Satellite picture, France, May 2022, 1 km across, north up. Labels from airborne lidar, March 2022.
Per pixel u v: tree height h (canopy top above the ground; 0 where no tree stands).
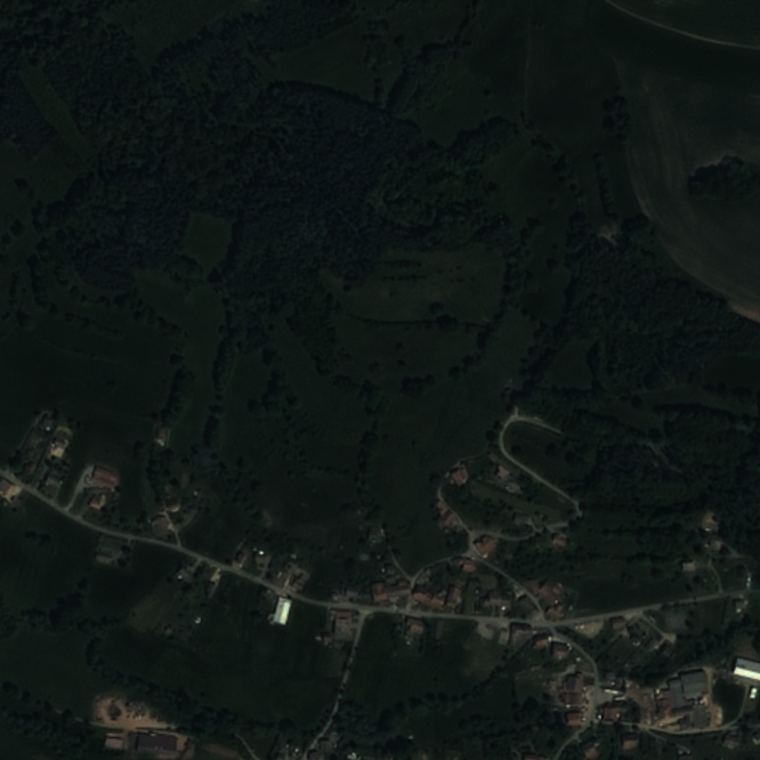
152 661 0
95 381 0
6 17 30
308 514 0
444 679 0
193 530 0
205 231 0
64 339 0
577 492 18
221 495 0
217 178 34
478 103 0
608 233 0
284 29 8
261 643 0
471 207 12
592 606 0
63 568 0
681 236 0
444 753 0
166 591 0
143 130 7
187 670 0
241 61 23
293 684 0
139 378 0
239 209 8
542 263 0
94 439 0
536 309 0
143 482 0
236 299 21
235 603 0
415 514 0
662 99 0
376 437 15
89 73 18
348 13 11
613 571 0
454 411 0
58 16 17
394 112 19
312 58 0
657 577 14
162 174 29
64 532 0
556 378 0
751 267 0
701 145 0
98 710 0
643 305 28
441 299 0
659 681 18
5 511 0
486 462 0
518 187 0
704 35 0
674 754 0
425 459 0
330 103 31
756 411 0
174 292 0
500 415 0
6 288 0
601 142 0
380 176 31
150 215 31
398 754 22
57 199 0
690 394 0
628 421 0
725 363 0
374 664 0
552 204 9
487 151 20
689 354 31
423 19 0
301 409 8
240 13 0
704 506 19
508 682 0
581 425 22
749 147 0
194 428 0
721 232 0
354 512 17
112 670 18
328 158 31
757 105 0
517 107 0
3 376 0
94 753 0
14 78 28
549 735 11
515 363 0
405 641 0
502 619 0
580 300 20
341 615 0
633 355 8
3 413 0
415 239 28
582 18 0
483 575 0
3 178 0
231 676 0
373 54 8
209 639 0
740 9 0
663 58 0
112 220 33
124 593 0
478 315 0
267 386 0
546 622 0
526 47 0
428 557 0
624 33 0
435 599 0
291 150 33
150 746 0
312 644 0
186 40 0
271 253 31
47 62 13
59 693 0
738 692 0
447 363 0
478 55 0
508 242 25
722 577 0
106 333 7
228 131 13
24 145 26
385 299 0
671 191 0
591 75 0
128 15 0
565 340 23
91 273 28
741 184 24
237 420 0
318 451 0
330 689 0
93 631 20
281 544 0
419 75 27
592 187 0
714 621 0
